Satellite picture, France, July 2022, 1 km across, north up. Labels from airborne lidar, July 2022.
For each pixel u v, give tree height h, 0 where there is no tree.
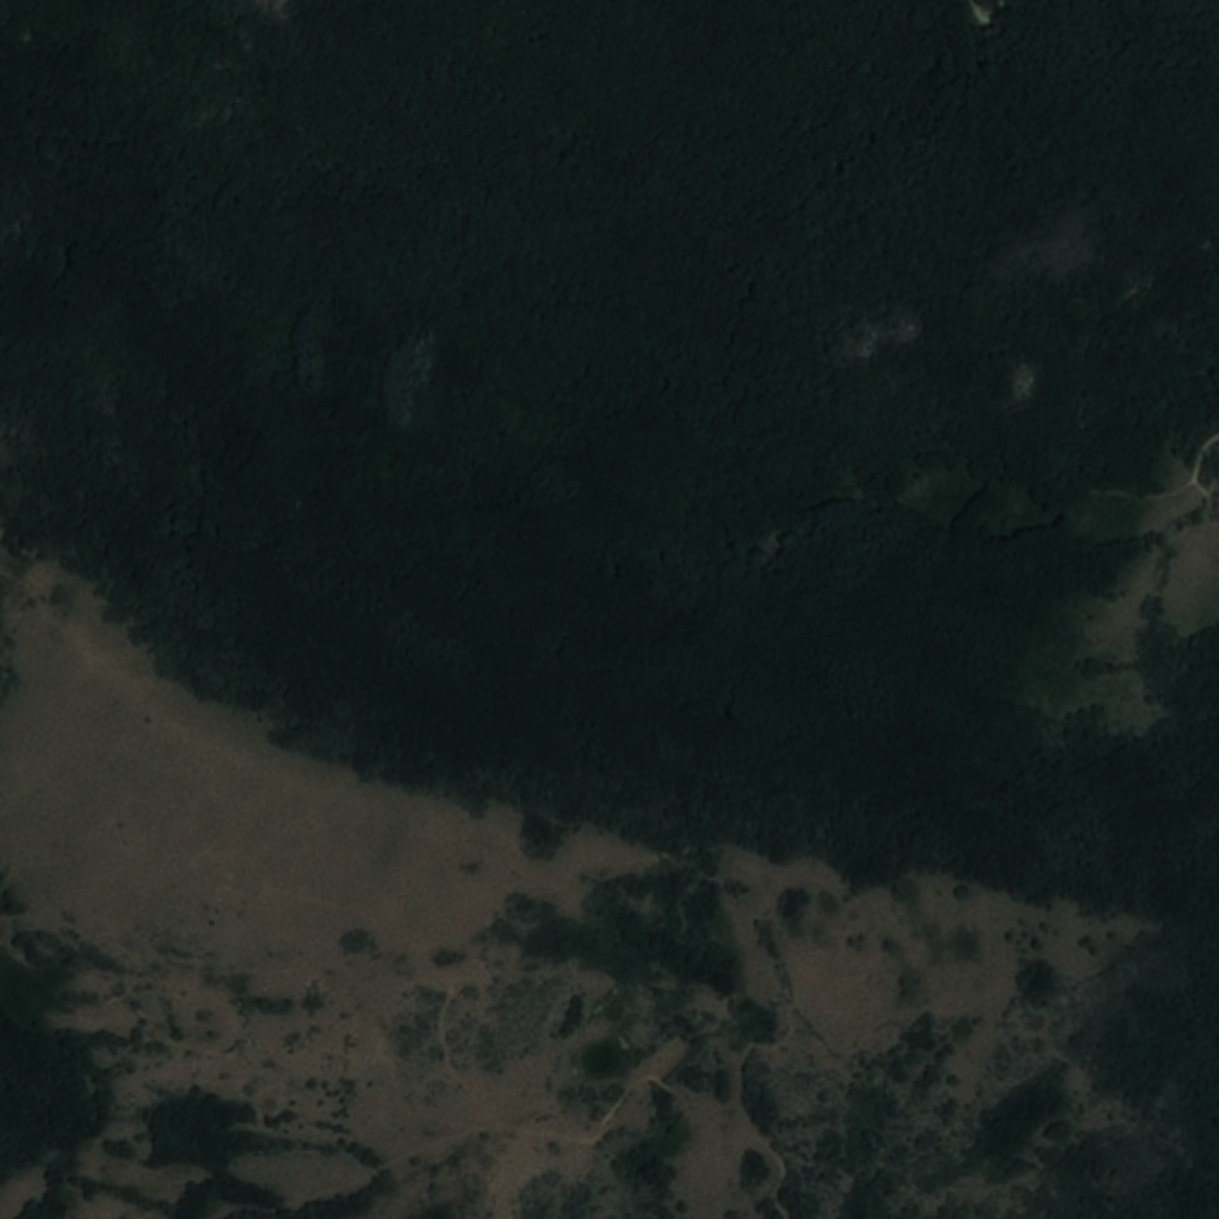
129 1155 8
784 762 14
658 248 18
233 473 11
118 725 0
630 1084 0
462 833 0
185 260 8
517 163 23
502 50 17
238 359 10
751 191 22
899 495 10
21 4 14
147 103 12
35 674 0
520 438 22
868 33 19
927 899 0
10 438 6
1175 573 0
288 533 16
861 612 25
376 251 15
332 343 17
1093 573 15
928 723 17
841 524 23
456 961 0
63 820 0
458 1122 0
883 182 14
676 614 12
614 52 17
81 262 26
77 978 0
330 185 19
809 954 0
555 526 24
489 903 0
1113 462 20
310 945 0
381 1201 0
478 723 15
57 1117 11
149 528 16
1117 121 17
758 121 17
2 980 0
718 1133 0
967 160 19
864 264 16
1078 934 0
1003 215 14
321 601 13
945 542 19
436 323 12
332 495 14
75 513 12
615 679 21
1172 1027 6
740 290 27
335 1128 7
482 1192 0
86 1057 9
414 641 10
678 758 7
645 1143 6
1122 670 7
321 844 0
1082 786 10
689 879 6
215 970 0
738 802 10
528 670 25
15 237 9
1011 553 20
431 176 24
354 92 17
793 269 16
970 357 14
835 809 12
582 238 15
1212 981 7
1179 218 10
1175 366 17
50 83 14
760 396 19
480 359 14
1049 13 12
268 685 7
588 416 20
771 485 22
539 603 23
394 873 0
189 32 12
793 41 18
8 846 0
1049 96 18
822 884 0
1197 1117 6
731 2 15
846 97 22
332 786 0
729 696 23
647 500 20
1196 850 7
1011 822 11
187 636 7
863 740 20
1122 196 7
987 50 26
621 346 20
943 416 12
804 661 25
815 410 13
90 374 7
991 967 0
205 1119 11
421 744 12
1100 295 13
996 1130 9
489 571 28
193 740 0
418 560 23
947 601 23
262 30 7
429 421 16
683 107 15
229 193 23
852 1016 0
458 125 20
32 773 0
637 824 6
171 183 24
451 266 9
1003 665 21
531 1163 0
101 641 0
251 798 0
